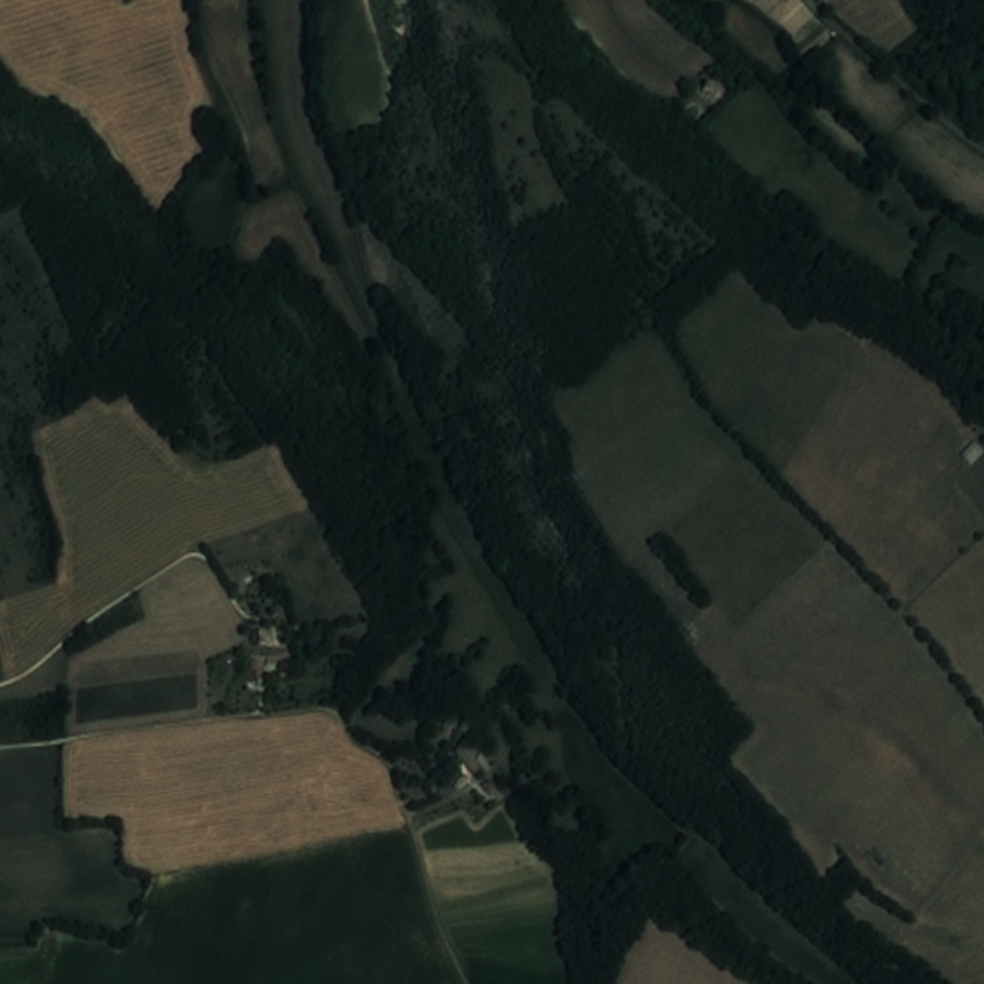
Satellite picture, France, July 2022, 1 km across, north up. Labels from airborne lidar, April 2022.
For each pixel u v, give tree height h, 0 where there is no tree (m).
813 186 0
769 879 18
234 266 15
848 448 0
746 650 0
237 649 10
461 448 14
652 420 0
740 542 0
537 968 0
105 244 9
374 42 0
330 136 19
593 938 12
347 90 0
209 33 0
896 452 0
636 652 9
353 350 12
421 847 0
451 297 12
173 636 0
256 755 0
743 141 0
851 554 10
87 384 12
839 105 19
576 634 18
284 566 0
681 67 0
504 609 0
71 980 0
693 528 0
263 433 13
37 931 13
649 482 0
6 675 0
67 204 10
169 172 0
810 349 0
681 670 11
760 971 9
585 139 6
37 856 0
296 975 0
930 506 0
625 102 15
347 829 0
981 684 0
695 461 0
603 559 12
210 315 10
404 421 10
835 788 0
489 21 0
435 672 26
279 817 0
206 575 0
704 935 14
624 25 0
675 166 13
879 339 12
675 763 9
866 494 0
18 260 0
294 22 0
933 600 0
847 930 15
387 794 0
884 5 0
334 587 0
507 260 6
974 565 0
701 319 0
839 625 0
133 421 0
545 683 0
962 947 0
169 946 0
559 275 12
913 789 0
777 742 0
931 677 0
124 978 0
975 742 0
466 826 0
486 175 12
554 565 8
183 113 0
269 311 9
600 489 0
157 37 0
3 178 9
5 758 0
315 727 0
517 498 6
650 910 9
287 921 0
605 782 0
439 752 11
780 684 0
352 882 0
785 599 0
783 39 15
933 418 0
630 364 0
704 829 15
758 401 0
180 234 17
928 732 0
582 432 0
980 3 12
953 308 19
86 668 0
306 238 0
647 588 11
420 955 0
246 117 0
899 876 0
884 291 18
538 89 11
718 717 13
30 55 0
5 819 0
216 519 0
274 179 0
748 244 13
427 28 6
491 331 9
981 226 36
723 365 0
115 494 0
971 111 18
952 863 0
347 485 15
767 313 0
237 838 0
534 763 10
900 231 0
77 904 0
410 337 19
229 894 0
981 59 8
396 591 19
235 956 0
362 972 0
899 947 12
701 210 12
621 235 13
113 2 0
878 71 16
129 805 0
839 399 0
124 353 14
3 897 0
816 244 21
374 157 10
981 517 0
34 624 0
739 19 0
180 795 0
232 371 12
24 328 0
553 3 18
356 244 0
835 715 0
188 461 0
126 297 6
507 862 0
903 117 0
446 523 0
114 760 0
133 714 0
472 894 0
